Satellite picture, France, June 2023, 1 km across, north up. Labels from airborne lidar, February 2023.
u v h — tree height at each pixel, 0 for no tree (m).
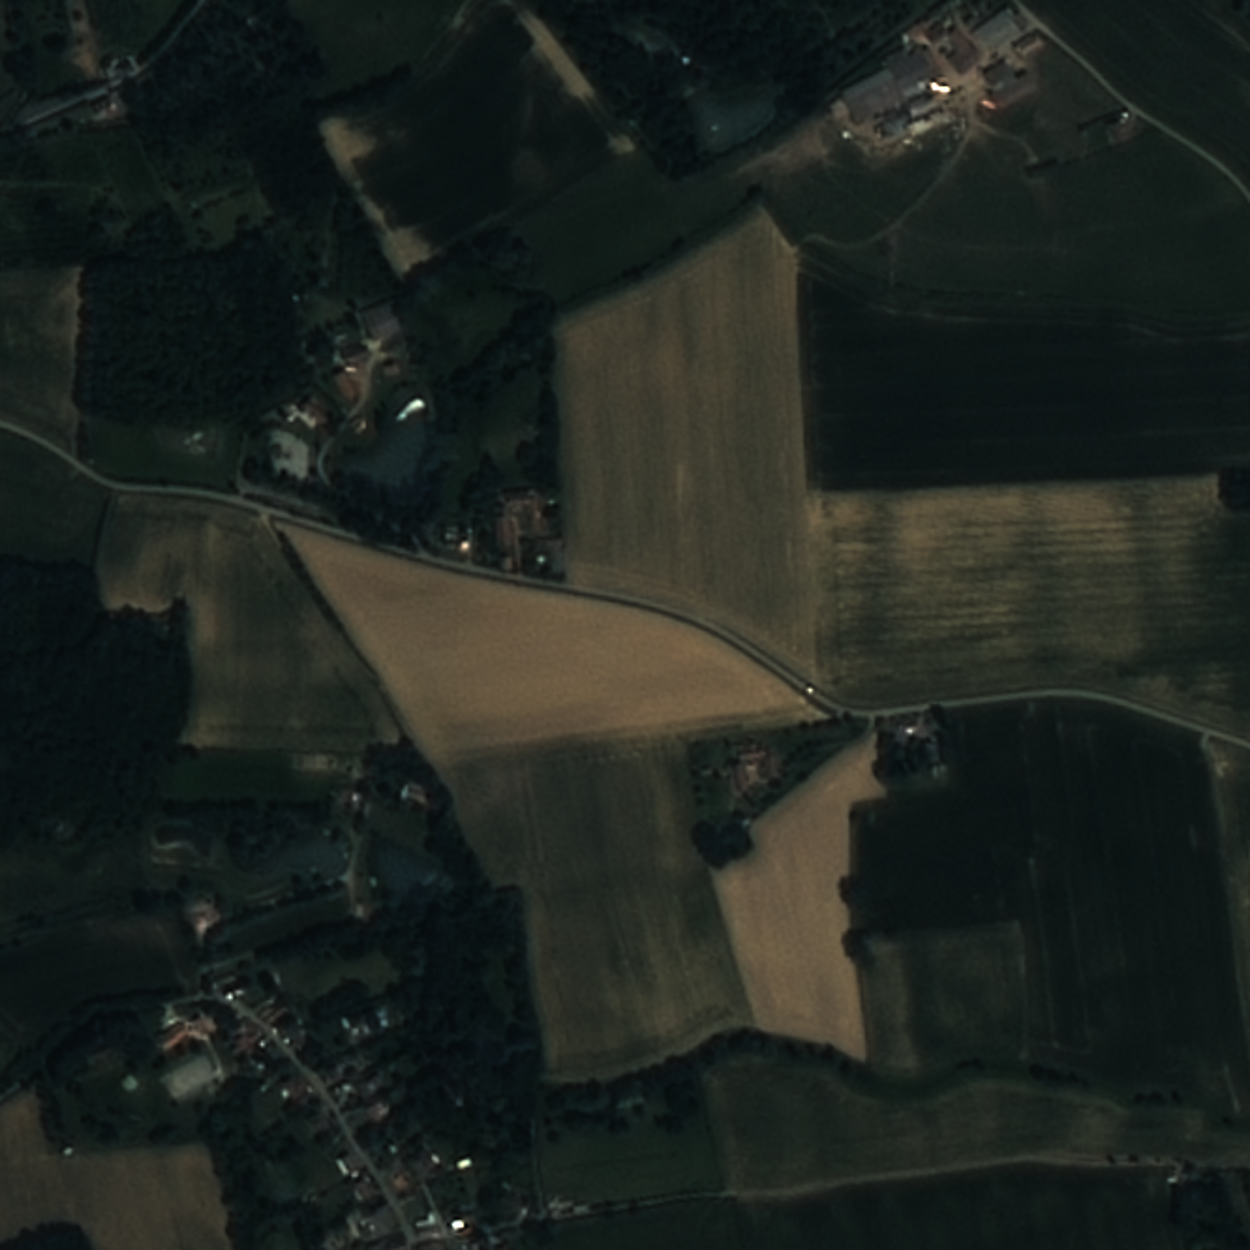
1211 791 0
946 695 0
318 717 0
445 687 0
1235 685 0
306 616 0
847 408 0
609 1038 0
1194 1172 9
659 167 9
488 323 0
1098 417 0
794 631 0
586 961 0
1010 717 0
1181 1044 0
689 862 0
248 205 0
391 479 0
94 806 26
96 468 0
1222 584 0
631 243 0
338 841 11
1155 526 0
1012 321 0
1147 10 0
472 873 16
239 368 14
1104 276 0
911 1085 0
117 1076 0
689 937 0
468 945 19
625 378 0
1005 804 0
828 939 0
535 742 0
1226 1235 13
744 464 0
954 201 0
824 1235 0
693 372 0
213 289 21
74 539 0
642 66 13
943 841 0
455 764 0
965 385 0
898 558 0
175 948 0
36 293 0
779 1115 0
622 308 0
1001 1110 0
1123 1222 0
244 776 0
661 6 19
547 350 12
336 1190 0
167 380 22
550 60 0
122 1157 0
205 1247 0
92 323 18
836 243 0
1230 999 0
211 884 0
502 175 0
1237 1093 0
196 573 0
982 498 0
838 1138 0
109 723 28
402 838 0
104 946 0
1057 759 0
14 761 26
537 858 0
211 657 0
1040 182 0
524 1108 14
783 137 0
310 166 18
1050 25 0
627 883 0
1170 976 0
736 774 0
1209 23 0
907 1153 0
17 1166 0
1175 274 0
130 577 0
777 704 0
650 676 0
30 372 0
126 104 15
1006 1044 0
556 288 0
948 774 0
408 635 0
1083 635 0
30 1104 0
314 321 0
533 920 0
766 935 0
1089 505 0
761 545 0
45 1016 0
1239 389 0
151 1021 0
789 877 0
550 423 13
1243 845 0
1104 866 0
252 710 0
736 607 0
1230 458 0
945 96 0
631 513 0
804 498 0
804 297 0
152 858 0
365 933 14
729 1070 0
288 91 17
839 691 0
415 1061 8
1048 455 0
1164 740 0
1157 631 0
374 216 0
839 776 0
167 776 0
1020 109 0
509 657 0
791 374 0
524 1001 12
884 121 0
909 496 0
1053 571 0
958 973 0
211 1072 0
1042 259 0
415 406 0
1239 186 0
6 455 0
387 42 0
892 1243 0
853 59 6
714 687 0
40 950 0
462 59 0
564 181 0
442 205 0
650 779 0
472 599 0
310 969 0
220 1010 15
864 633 0
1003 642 0
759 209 0
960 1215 0
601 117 0
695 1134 0
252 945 0
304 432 0
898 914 0
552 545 0
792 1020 0
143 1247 0
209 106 21
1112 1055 0
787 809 0
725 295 0
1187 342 0
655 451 0
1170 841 0
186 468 0
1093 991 0
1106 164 0
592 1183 0
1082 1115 0
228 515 0
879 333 0
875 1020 0
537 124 0
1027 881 0
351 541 0
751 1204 0
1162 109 0
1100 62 0
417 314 0
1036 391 0
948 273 0
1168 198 0
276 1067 7
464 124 0
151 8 0
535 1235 15
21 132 11
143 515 0
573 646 0
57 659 25
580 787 0
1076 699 0
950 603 0
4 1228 0
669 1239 0
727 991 0
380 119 0
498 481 10
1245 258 0
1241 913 0
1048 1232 0
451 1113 8
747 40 16
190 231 0
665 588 0
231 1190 14
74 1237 17
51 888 0
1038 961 0
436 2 0
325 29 0
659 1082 15
